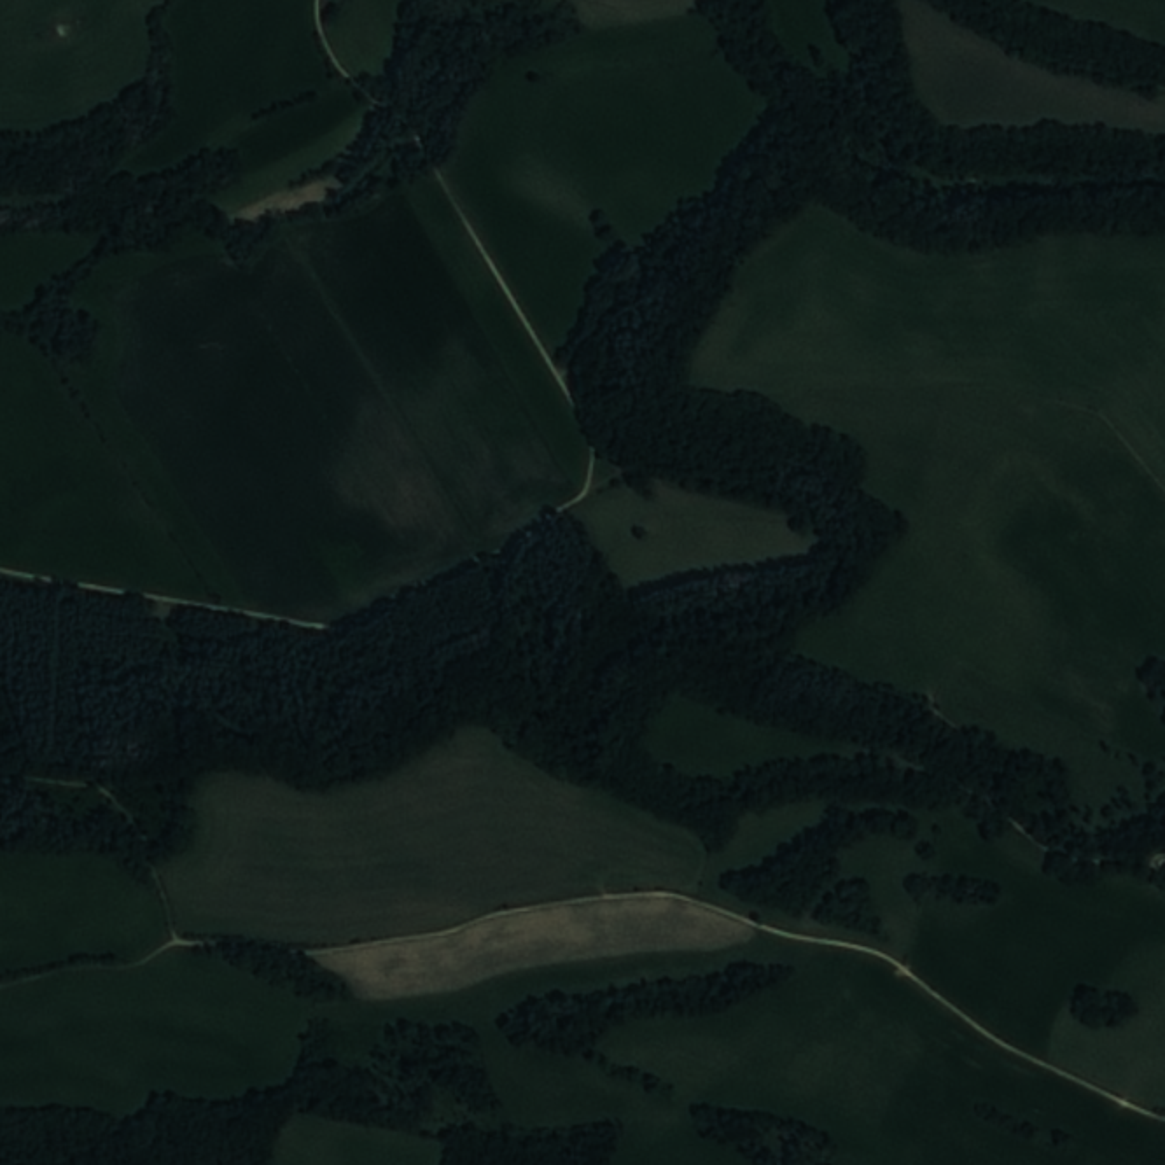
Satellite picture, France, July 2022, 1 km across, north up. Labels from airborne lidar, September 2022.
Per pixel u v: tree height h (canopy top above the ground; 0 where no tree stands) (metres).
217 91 0
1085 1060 0
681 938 0
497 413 0
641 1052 0
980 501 0
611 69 0
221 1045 0
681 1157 0
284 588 0
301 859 0
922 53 0
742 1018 0
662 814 20
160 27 16
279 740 29
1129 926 0
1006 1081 0
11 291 0
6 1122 10
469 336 0
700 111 0
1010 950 0
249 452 0
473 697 29
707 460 20
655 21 0
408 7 16
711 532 0
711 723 0
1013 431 0
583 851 0
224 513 0
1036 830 18
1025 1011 0
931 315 0
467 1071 17
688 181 0
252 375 0
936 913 0
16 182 22
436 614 18
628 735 17
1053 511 0
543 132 0
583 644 17
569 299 0
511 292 0
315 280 0
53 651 34
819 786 23
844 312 0
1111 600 0
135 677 24
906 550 0
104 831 19
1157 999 0
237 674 23
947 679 0
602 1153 15
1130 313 0
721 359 0
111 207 21
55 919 0
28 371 0
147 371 0
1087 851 17
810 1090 0
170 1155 20
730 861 0
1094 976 0
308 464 0
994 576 0
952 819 0
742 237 22
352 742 27
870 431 0
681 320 23
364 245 0
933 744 26
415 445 0
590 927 0
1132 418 0
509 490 0
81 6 0
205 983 0
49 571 0
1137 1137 0
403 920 0
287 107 13
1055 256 0
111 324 0
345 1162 0
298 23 0
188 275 0
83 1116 15
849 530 32
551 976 0
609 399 20
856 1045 0
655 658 29
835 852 19
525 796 0
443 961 0
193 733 35
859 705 15
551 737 18
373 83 20
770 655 21
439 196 0
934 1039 0
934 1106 0
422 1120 17
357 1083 25
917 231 27
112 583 0
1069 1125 0
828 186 18
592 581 25
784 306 0
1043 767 14
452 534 0
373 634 23
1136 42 18
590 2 0
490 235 0
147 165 0
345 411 0
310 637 21
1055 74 12
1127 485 0
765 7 19
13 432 0
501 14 7
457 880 0
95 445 0
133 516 0
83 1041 0
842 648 0
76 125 10
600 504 0
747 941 0
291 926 0
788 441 19
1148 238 16
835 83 12
